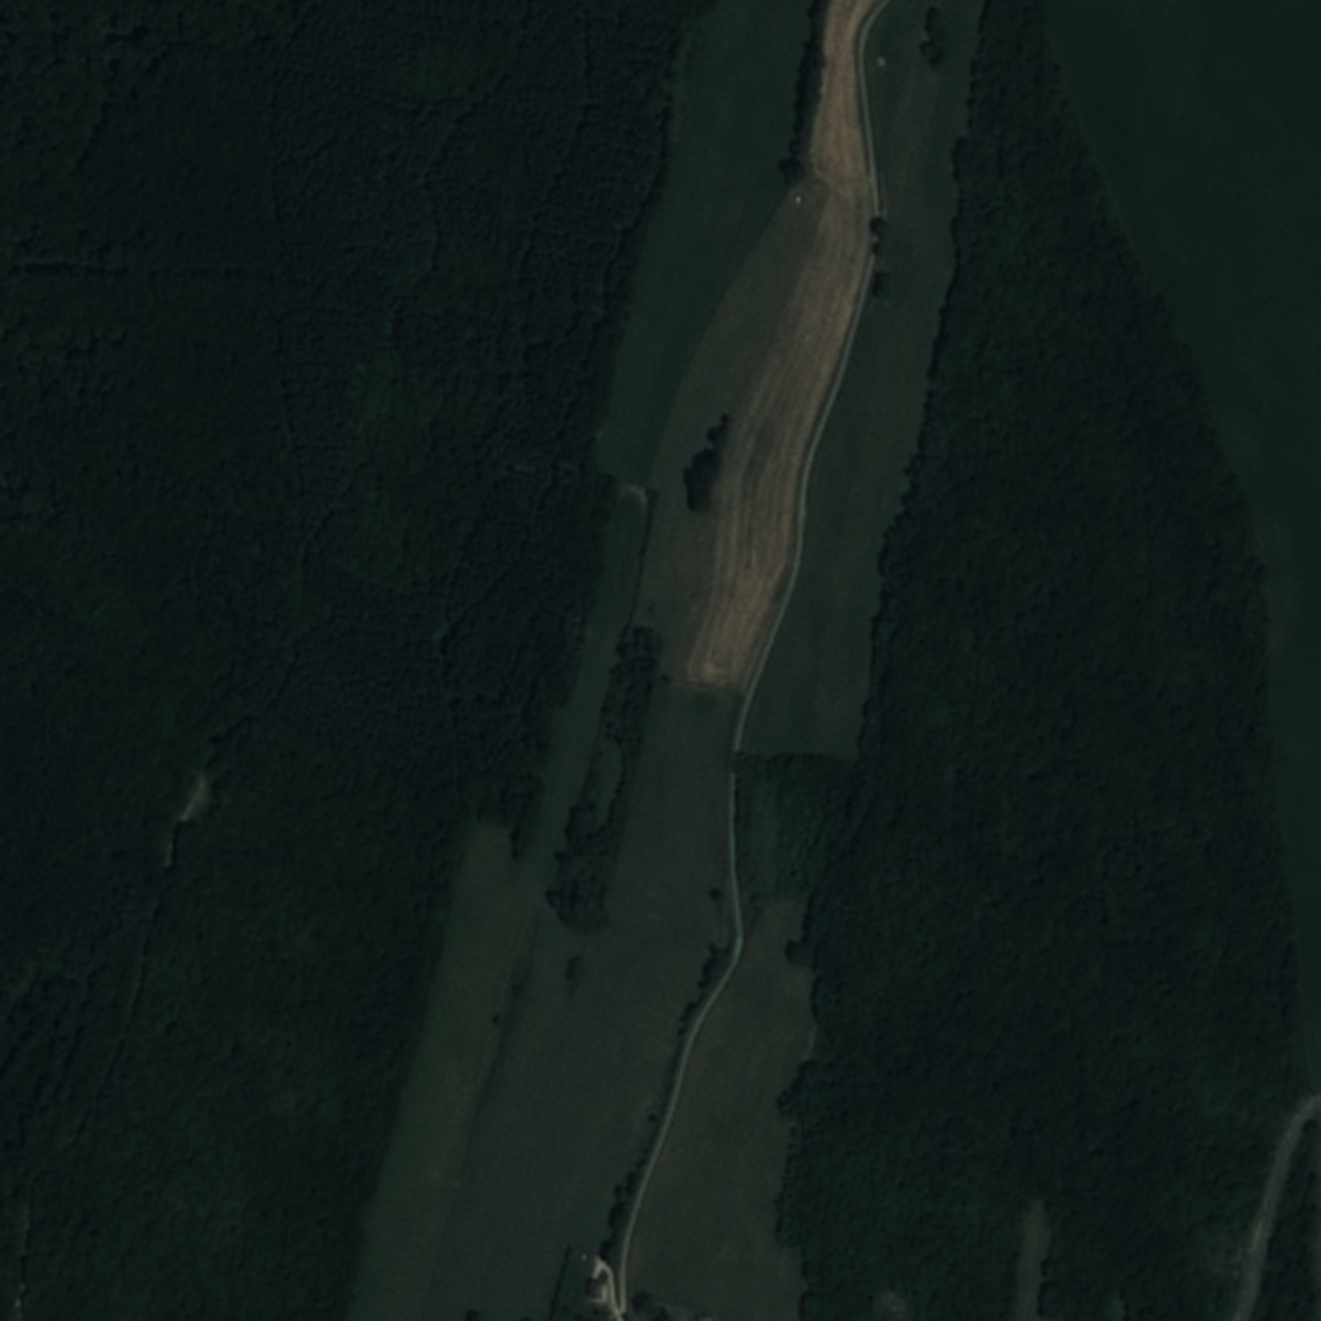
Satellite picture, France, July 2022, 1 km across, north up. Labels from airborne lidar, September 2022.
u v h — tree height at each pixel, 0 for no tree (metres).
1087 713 15
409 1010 17
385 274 13
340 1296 15
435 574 13
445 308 9
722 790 0
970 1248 8
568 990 0
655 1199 0
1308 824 0
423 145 14
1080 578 13
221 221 18
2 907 24
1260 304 0
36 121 21
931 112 0
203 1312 8
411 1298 0
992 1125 13
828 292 0
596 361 20
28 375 19
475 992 0
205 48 20
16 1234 9
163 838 16
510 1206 0
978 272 10
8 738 21
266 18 22
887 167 0
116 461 18
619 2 21
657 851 0
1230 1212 6
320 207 19
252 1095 11
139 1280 10
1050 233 7
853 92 0
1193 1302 5
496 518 21
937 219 0
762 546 0
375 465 15
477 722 21
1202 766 7
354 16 19
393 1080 9
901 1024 13
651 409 0
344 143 25
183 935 14
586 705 0
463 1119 0
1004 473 13
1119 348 12
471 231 18
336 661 19
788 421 0
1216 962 8
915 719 10
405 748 15
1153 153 0
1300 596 0
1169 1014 11
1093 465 11
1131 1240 11
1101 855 13
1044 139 14
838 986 8
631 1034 0
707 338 0
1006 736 11
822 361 0
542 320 19
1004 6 16
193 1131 10
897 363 0
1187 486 10
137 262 22
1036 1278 0
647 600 0
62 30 11
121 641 21
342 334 16
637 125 21
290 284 20
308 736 17
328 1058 10
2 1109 11
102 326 18
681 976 0
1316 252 0
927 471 20
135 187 18
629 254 21
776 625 0
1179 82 0
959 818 14
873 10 0
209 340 20
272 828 11
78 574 19
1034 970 11
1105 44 0
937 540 15
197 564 17
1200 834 12
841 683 0
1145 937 10
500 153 15
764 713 0
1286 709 0
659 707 0
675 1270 0
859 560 0
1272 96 0
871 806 15
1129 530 11
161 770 19
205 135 19
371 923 11
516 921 0
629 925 0
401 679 17
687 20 17
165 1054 10
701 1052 0
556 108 19
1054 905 16
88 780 21
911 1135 10
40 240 20
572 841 13
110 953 21
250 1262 15
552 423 19
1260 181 0
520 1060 0
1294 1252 13
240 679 19
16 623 21
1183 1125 12
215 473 16
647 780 0
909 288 0
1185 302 0
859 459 0
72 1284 9
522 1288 0
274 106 18
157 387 21
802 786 7
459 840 14
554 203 20
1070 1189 14
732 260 0
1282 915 11
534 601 19
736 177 0
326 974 10
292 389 19
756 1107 0
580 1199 0
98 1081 7
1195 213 0
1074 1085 12
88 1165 10
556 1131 0
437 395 12
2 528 24
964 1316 13
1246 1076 11
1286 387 0
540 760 9
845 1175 9
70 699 18
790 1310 0
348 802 18
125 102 8
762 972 0
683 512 0
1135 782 10
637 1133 0
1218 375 0
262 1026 11
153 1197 9
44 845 20
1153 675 13
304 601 10
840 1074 16
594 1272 0
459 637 19
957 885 12
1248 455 0
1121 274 9
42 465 19
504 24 20
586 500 17
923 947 11
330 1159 16
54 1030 6
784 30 0
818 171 0
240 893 10
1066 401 13
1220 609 14
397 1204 0
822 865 6
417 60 18
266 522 16
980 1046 9
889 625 18
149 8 25
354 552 13
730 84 0
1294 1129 0
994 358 15
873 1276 8
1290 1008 16
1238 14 0
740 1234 0
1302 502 0
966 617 16
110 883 19
